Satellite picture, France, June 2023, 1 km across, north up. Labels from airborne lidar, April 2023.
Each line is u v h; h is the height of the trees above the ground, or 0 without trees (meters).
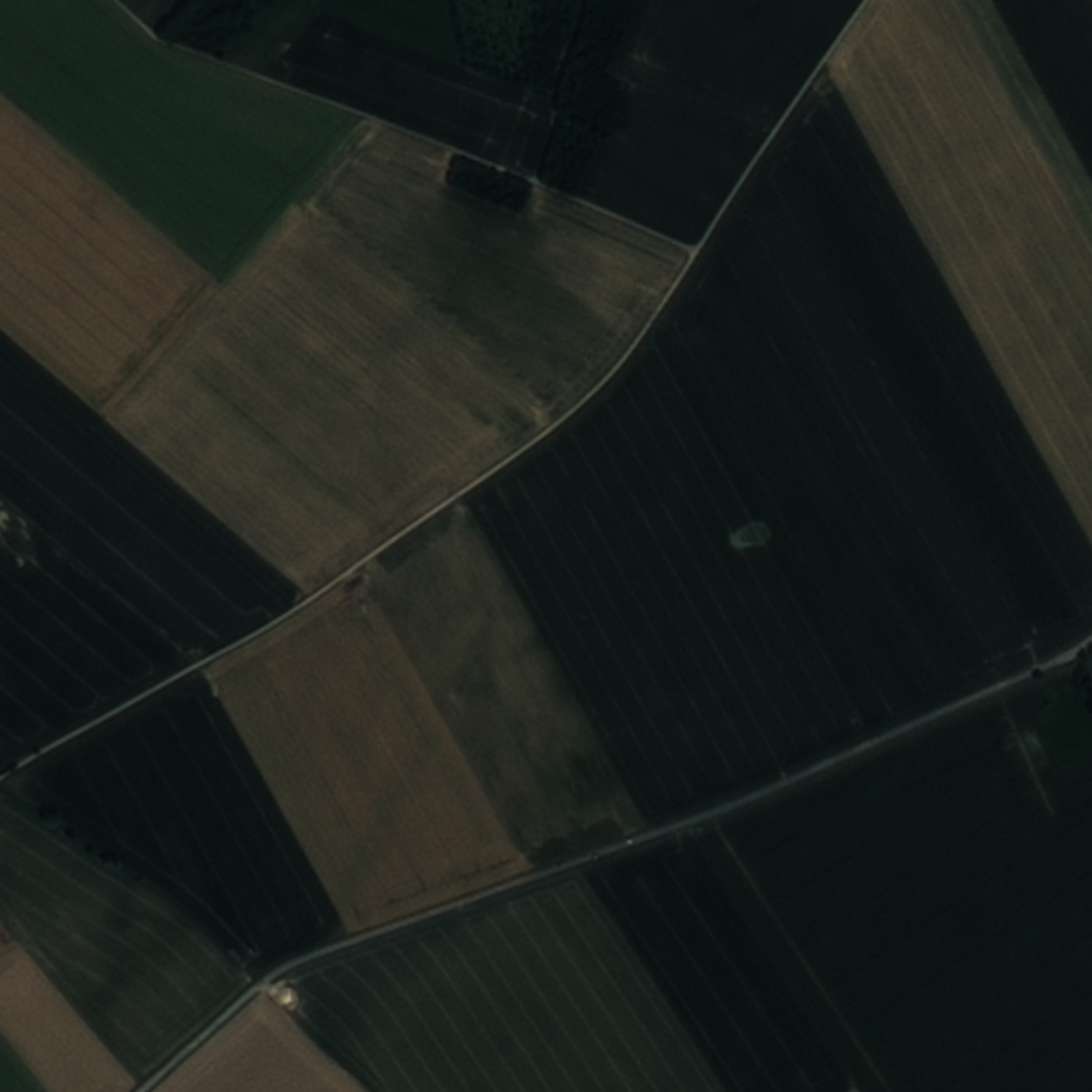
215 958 0
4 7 0
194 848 0
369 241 0
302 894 0
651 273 0
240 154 0
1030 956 0
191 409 0
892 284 0
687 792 0
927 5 0
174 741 0
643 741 0
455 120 0
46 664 0
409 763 0
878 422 0
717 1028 0
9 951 0
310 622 0
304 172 0
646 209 0
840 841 0
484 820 0
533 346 0
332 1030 0
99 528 0
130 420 0
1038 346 0
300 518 0
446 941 0
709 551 0
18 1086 0
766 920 0
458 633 0
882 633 0
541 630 0
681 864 0
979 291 0
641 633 0
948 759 0
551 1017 0
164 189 0
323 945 0
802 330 0
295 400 0
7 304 0
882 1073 0
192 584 0
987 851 0
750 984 0
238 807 0
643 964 0
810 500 0
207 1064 0
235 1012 0
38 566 0
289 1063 0
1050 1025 0
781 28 0
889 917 0
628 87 0
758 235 0
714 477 0
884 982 0
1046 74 0
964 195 0
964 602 0
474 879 0
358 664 0
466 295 0
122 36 0
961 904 0
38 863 0
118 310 0
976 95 0
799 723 0
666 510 0
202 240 0
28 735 0
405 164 0
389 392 0
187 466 0
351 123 0
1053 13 0
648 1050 0
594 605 0
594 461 0
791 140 0
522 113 0
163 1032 0
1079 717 0
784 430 0
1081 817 0
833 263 0
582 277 0
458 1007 0
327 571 0
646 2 0
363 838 0
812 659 0
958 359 0
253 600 0
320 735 0
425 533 0
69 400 0
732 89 0
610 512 0
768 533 0
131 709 0
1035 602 0
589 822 0
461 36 6
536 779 0
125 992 0
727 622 0
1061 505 0
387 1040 0
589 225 0
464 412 0
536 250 0
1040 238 0
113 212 0
